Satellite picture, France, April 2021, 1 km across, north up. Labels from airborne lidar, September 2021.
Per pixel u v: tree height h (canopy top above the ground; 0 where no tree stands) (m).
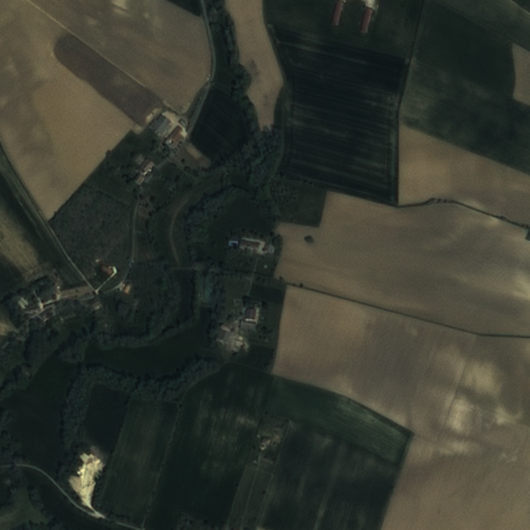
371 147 0
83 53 0
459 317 0
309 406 0
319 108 0
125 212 13
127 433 0
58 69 0
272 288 0
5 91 0
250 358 0
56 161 0
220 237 0
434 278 0
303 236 0
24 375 26
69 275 0
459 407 0
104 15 0
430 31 0
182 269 0
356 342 0
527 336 0
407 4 0
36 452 0
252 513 0
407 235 0
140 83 0
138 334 0
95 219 10
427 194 0
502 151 0
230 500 0
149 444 0
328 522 0
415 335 0
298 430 0
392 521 0
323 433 0
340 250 0
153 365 0
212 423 0
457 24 0
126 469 0
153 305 17
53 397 0
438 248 0
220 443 0
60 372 0
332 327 0
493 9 0
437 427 0
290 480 0
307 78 0
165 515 0
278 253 10
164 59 0
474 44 0
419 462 0
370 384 0
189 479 0
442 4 0
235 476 0
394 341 0
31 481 0
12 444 12
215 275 11
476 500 0
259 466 0
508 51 0
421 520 0
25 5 0
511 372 0
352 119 0
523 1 0
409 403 0
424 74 0
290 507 0
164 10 0
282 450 0
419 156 0
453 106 0
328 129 0
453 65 0
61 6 0
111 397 0
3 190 0
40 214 0
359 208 0
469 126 0
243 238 7
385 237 0
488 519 0
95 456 0
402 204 0
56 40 0
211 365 14
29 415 0
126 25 0
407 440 0
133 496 0
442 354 0
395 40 0
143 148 0
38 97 0
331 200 0
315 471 0
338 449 0
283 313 0
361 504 0
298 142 0
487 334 0
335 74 0
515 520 0
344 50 0
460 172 0
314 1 0
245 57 0
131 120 0
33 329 14
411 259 0
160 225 0
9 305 17
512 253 0
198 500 0
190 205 0
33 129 0
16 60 0
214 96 0
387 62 0
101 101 0
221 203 15
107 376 14
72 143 0
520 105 0
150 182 0
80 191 7
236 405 0
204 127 0
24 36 0
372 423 0
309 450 0
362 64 0
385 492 0
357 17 0
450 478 0
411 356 0
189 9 0
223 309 8
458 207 0
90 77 0
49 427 0
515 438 0
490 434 0
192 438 0
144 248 0
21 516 0
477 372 0
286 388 0
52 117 0
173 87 0
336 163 0
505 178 0
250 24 0
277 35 0
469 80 0
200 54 0
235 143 0
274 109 0
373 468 0
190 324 18
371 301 0
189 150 0
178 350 0
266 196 13
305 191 0
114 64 0
